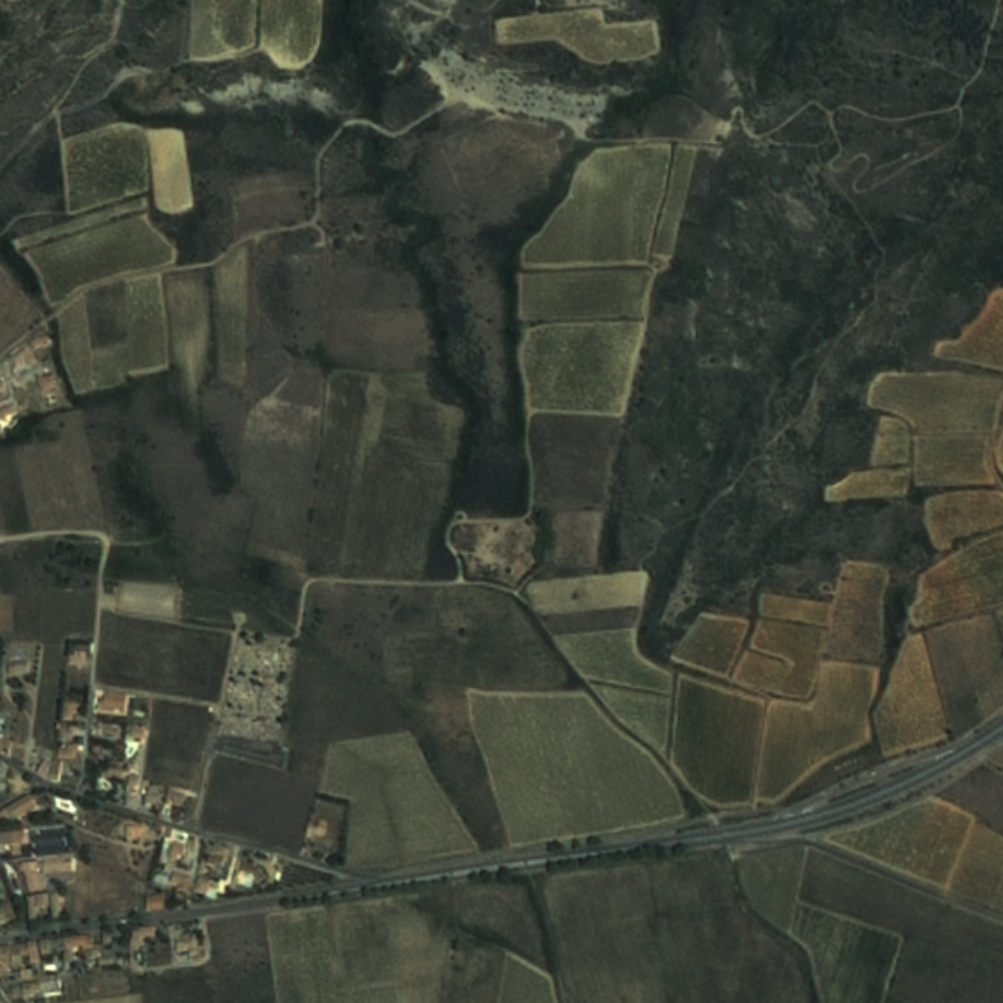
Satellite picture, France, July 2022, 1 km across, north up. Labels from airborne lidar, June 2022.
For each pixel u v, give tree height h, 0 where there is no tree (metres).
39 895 0
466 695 0
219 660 0
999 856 0
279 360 0
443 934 0
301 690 0
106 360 0
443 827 0
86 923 13
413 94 0
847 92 0
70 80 0
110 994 0
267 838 0
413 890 12
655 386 0
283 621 0
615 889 0
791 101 0
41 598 0
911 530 0
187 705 0
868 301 0
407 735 0
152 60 0
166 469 0
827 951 0
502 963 0
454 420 0
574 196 0
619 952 0
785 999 0
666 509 0
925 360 0
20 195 0
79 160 0
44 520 0
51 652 0
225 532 0
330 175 0
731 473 0
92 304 0
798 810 0
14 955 0
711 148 0
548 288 0
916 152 0
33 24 0
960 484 0
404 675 0
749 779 0
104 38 0
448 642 0
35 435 0
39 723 0
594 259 0
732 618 0
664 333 0
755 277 0
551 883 0
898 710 0
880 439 0
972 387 0
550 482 0
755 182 0
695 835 0
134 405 0
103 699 0
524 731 0
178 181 0
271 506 0
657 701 0
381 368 0
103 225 0
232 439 0
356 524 0
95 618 0
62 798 7
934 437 0
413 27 0
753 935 0
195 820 0
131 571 0
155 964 0
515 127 0
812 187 0
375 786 0
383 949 0
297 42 0
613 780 0
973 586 0
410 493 0
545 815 0
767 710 0
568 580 0
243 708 0
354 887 0
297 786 0
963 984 0
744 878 0
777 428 0
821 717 0
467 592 0
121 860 0
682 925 0
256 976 0
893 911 0
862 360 0
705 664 0
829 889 0
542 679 0
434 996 0
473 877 13
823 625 0
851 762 0
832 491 0
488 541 0
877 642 0
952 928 0
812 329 0
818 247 0
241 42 0
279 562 0
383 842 0
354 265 0
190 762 0
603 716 0
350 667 0
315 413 0
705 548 0
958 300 0
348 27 9
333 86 0
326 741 0
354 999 0
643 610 0
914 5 9
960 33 8
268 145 0
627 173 0
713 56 0
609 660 0
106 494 0
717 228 0
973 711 0
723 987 0
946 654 0
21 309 0
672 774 0
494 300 0
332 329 0
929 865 0
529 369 0
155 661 0
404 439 0
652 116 0
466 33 0
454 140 0
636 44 0
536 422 0
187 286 0
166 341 0
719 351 0
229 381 0
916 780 0
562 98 0
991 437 0
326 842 0
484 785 0
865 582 0
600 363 0
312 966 0
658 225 0
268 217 0
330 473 0
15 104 0
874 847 0
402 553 0
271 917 0
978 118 0
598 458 0
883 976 0
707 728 0
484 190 0
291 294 0
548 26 0
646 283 0
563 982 0
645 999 0
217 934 0
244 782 0
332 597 0
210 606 0
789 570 0
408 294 0
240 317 0
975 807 0
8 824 13
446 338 12
